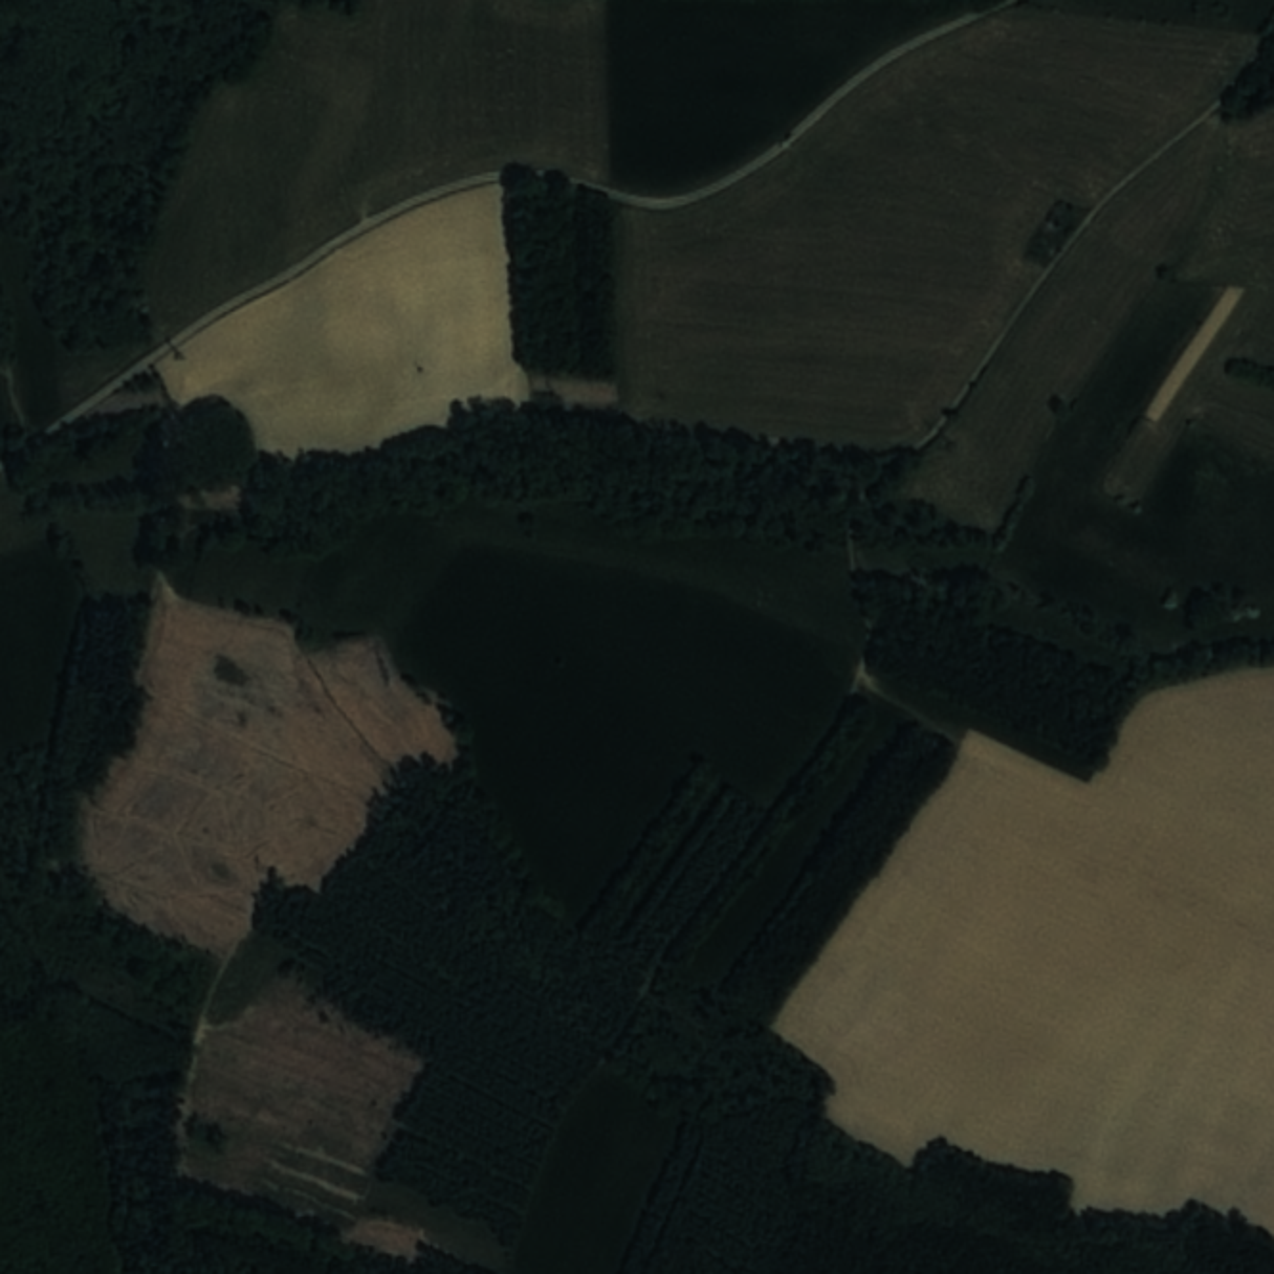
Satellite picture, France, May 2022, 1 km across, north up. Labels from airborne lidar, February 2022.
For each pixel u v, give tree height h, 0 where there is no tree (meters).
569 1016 12
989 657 17
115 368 0
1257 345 0
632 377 0
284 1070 0
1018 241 0
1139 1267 12
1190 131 0
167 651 0
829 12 0
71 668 15
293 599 0
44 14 21
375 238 0
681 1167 9
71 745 18
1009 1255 11
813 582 0
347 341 0
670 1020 13
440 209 0
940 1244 18
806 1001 0
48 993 21
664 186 0
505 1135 12
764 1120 11
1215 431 0
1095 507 0
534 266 23
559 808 0
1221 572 0
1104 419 0
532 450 26
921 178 0
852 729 10
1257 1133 0
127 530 0
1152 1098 0
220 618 0
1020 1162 0
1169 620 0
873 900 0
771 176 0
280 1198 0
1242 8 0
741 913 0
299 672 0
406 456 18
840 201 0
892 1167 14
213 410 17
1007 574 0
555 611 0
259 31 23
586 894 0
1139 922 0
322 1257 23
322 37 0
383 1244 0
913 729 11
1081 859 0
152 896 0
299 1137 0
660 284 0
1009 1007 0
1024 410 0
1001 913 0
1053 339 0
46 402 0
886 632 17
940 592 9
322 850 0
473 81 0
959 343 0
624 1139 0
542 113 0
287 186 0
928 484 0
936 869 0
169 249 0
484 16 0
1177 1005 0
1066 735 17
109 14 20
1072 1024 0
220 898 0
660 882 7
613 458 27
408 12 0
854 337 0
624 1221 0
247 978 0
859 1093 0
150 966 24
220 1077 0
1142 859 0
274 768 0
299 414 0
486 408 18
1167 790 0
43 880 19
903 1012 0
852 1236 17
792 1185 17
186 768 0
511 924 10
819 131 0
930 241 0
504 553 0
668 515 28
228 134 0
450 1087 11
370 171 0
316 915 9
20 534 0
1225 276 0
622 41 0
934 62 0
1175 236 0
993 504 0
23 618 0
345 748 0
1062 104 0
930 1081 0
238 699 0
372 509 18
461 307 0
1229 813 0
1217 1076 0
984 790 0
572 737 0
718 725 0
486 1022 11
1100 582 0
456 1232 0
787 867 0
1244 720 0
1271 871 0
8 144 18
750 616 0
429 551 0
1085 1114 0
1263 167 0
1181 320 0
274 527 16
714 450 23
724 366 0
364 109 0
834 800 0
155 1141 25
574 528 0
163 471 36
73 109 21
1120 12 0
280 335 0
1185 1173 0
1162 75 0
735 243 0
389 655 0
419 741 0
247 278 0
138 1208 28
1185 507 0
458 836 17
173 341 0
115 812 0
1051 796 0
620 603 0
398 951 9
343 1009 18
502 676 0
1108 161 0
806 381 0
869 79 0
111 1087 15
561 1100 8
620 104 0
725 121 0
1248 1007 0
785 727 0
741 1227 10
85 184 14
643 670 0
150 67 16
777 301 0
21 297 0
